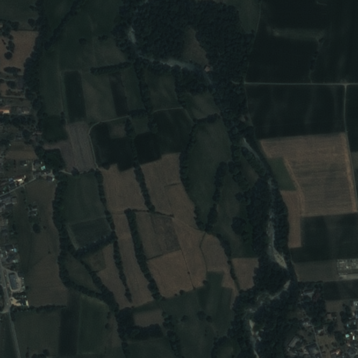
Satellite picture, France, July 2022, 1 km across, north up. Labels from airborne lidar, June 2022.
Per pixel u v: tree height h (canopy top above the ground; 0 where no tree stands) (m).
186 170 23
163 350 0
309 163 0
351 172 0
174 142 0
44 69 0
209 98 0
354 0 0
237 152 25
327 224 0
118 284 0
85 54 0
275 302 21
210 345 0
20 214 0
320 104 0
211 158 0
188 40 0
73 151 0
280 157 0
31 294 0
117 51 0
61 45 0
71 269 0
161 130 0
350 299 0
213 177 0
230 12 22
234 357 10
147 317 0
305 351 0
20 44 0
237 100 24
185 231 0
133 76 0
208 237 0
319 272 0
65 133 0
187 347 0
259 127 0
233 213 0
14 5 0
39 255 0
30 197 0
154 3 18
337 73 0
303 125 0
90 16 0
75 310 0
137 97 0
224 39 18
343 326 0
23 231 0
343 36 0
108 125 0
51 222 0
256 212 33
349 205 0
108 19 0
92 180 0
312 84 0
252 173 0
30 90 6
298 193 0
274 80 0
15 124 21
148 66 22
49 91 0
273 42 0
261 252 30
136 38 11
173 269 0
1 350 0
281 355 13
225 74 21
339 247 0
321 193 0
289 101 0
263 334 21
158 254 0
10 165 0
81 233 0
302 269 0
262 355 27
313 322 18
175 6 34
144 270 20
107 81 0
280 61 0
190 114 0
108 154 0
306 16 0
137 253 16
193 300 0
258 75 0
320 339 0
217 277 0
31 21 16
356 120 0
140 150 0
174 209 0
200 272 0
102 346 0
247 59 20
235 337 18
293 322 16
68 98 0
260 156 10
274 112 0
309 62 0
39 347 0
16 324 0
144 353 0
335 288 0
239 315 15
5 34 17
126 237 0
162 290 0
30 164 0
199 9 35
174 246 0
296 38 0
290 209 0
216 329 0
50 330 0
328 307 0
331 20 0
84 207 0
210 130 0
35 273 0
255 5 0
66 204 0
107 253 0
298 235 0
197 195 0
